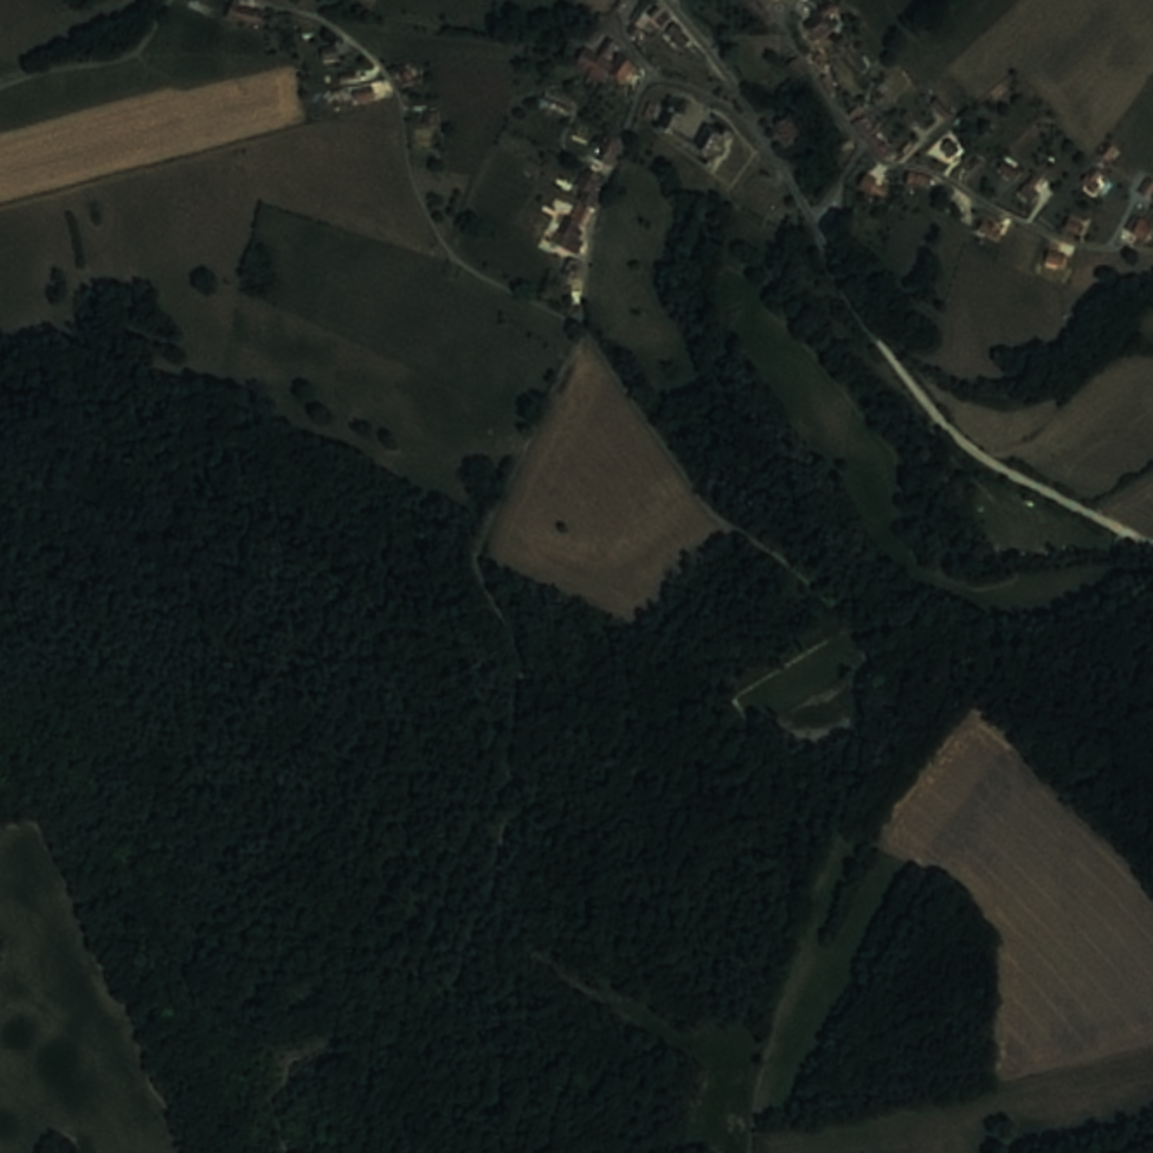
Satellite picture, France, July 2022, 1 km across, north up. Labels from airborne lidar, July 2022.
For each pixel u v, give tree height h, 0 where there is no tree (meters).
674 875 27
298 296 0
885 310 20
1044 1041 0
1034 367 20
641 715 23
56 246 0
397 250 0
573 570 0
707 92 0
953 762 0
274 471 25
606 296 0
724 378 19
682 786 23
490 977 17
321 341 0
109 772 16
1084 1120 0
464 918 22
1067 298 0
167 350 17
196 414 25
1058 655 23
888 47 14
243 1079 13
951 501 9
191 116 0
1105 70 0
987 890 0
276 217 0
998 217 0
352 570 16
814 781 22
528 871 12
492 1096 27
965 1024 23
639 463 0
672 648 16
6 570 24
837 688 0
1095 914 0
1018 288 0
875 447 0
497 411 0
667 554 0
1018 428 0
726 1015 18
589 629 15
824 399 0
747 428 23
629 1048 22
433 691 17
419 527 30
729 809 27
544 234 0
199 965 21
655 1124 10
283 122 0
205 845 21
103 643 25
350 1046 23
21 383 31
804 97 22
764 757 24
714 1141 0
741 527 9
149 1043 17
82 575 26
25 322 0
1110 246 0
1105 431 0
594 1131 23
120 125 0
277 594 20
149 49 0
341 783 14
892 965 23
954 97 0
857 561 28
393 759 19
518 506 0
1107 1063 0
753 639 18
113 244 0
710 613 20
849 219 18
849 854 0
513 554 0
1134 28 0
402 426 0
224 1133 15
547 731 25
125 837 16
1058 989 0
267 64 0
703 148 0
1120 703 31
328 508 26
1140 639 26
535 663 23
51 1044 0
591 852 15
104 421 25
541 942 17
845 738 19
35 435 26
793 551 26
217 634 17
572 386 0
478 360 0
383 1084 24
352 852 25
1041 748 26
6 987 0
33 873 0
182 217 0
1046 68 0
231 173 0
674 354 0
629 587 0
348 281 0
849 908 6
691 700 20
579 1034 23
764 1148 0
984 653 23
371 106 0
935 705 22
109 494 20
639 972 22
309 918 26
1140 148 0
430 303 0
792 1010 0
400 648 9
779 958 21
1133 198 0
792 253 20
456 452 0
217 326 0
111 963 15
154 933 21
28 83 0
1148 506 0
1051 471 0
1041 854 0
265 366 0
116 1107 0
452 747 22
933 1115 0
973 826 0
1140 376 0
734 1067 0
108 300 22
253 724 20
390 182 0
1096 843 0
